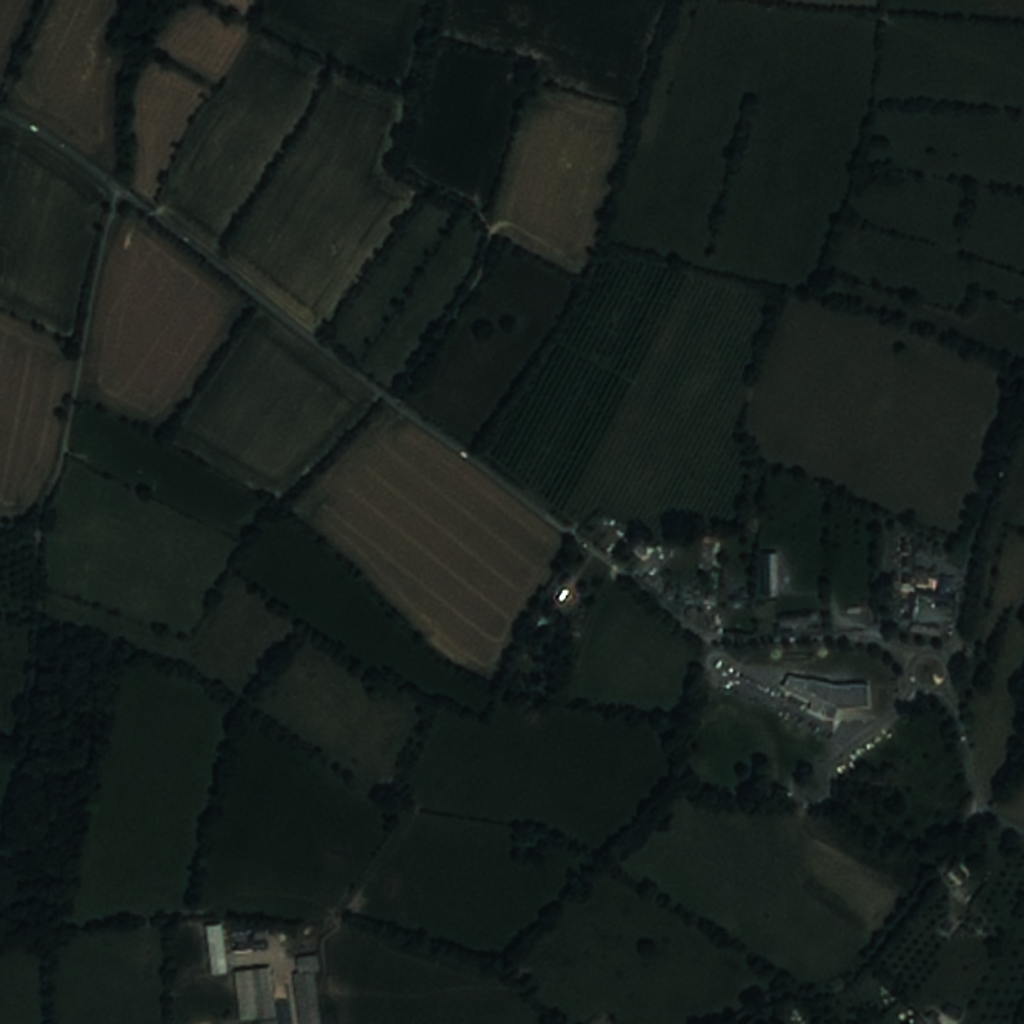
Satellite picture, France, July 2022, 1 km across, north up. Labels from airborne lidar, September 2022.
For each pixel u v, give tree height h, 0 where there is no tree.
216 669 0
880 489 0
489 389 0
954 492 0
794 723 0
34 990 0
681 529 25
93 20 0
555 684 20
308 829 0
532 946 10
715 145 0
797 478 13
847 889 0
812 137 0
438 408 0
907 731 0
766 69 0
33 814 25
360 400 0
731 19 0
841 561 0
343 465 0
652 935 0
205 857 11
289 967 0
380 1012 0
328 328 12
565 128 0
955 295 0
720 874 0
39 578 8
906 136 0
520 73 20
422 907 0
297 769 0
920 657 0
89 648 19
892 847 20
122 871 0
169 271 0
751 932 0
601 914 0
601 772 0
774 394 0
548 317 0
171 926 15
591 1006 0
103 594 0
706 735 0
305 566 0
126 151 12
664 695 0
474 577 0
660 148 0
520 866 8
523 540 0
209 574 0
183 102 0
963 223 14
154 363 0
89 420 0
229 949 0
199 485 0
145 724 0
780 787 14
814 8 7
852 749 0
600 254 6
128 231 0
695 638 14
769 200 0
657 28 7
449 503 0
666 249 0
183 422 8
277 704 0
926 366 0
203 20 0
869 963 10
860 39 0
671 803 17
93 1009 0
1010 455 15
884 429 0
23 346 0
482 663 0
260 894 0
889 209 0
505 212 0
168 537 0
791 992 8
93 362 0
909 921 15
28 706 19
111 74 0
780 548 0
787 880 0
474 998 0
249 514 0
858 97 0
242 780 0
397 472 0
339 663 15
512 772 0
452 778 0
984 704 0
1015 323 0
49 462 0
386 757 0
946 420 0
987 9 0
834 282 16
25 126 0
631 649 0
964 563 0
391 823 15
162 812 0
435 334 15
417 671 0
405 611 0
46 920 21
